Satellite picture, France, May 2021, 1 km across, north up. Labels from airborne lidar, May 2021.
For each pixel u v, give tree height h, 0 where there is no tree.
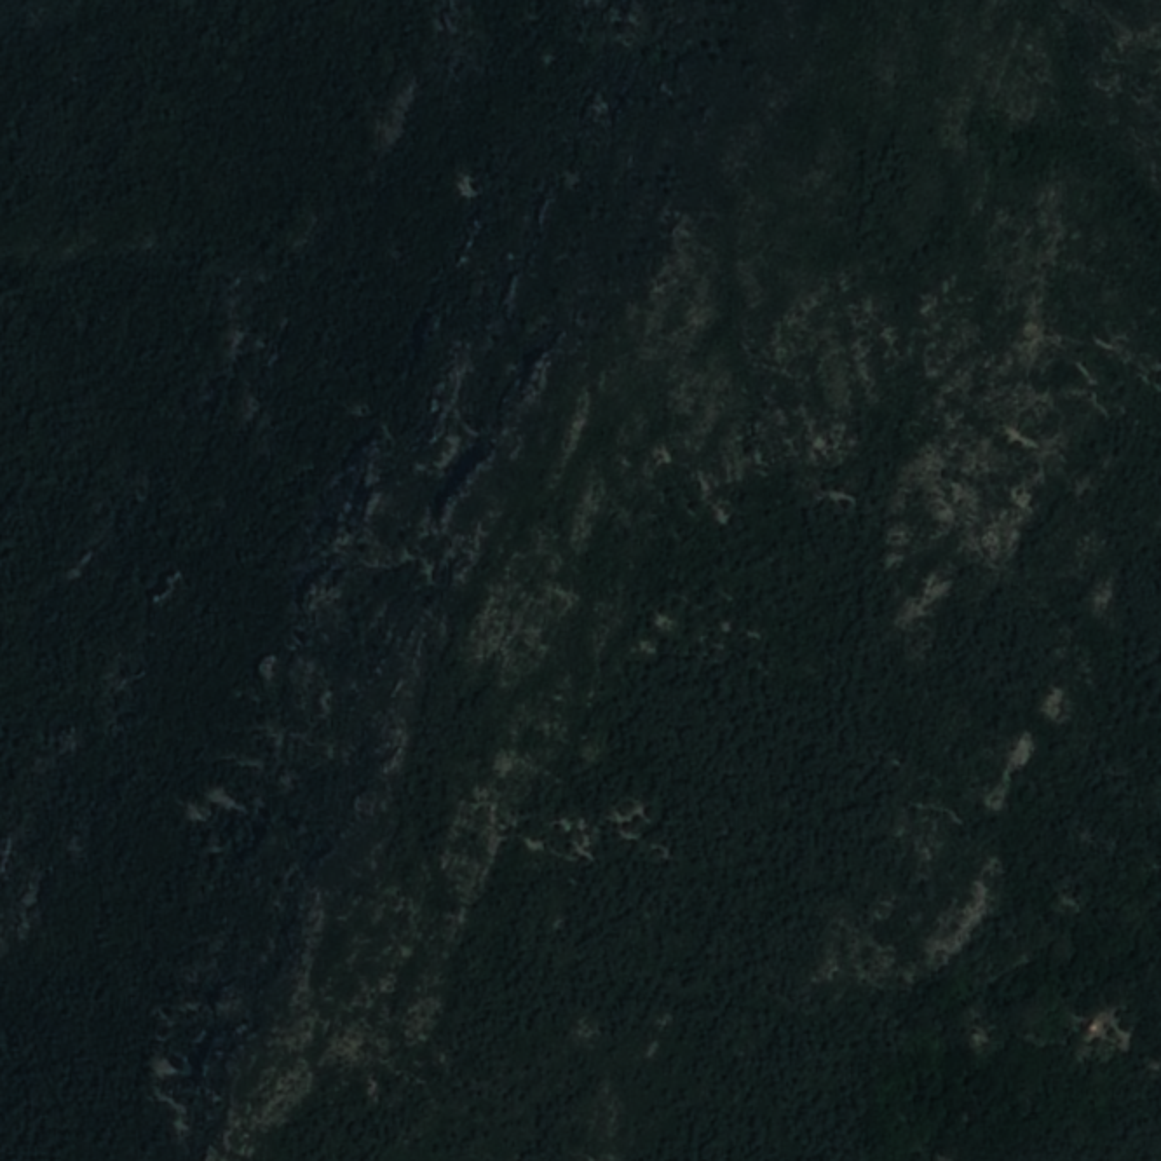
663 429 9
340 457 8
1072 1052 7
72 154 20
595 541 10
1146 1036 12
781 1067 17
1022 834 8
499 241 7
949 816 17
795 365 6
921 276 5
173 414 7
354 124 11
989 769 9
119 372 15
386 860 6
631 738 16
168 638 8
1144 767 10
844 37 6
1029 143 17
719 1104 5
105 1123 12
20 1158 15
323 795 6
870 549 13
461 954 7
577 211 6
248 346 6
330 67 8
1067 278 5
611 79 7
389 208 9
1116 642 8
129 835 9
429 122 6
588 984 16
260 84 11
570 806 19
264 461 8
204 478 11
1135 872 12
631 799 14
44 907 9
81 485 11
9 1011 11
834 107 6
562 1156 14
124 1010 6
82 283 13
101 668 6
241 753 8
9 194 14
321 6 12
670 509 7
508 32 11
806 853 18
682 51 6
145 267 8
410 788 15
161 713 12
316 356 7
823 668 6
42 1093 15
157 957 8
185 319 7
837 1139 23
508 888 9
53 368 14
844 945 9
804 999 15
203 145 10
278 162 10
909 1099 14
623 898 16
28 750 8
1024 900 16
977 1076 12
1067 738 7
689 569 8
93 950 7
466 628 10
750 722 13
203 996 6
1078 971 14
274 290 8
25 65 9
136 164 13
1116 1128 22
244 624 7
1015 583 6
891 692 7
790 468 7
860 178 9
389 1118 13
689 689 19
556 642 6
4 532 16
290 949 6
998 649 17
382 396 7
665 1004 13
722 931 16
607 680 6
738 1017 17
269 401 7
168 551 13
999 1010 10
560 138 6
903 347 7
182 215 9
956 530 6
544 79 8
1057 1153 21
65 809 8
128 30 9
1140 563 11
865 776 10
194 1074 9
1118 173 10
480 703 17
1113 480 8
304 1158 8
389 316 9
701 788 18
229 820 8
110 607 9
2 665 7
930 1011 17
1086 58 8
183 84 15
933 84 5
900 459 8
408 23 11
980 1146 12
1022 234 6
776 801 17
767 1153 18
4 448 7
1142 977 14
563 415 7
